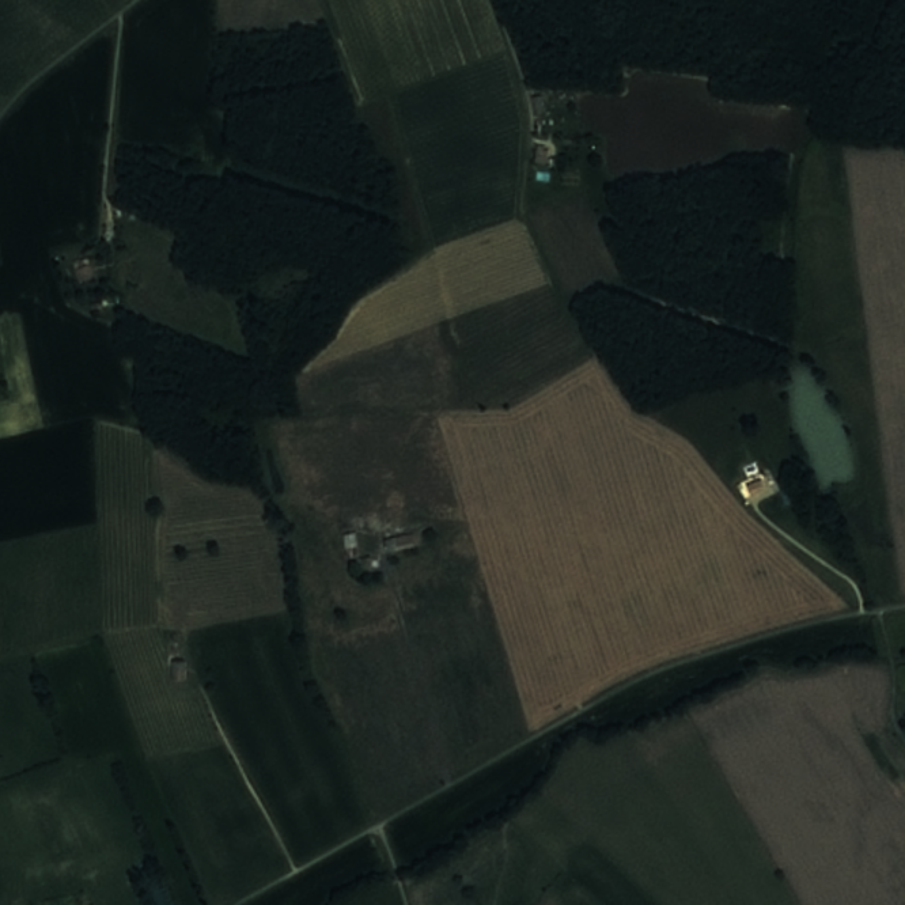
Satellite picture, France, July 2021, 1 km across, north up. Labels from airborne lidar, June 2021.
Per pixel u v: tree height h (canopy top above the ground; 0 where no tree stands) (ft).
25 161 0
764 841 0
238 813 0
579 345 0
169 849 0
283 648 0
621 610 0
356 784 0
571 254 0
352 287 61
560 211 0
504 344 0
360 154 71
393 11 0
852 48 63
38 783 0
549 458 0
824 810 0
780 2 66
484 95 0
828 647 0
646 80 0
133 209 51
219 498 0
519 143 0
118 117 0
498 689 0
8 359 0
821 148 0
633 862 0
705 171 60
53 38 0
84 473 0
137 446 0
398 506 0
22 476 0
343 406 0
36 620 0
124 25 0
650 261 82
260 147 57
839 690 0
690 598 0
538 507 0
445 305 0
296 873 0
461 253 0
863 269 0
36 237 0
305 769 0
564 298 0
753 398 0
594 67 44
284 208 53
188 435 66
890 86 59
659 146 0
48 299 0
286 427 0
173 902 54
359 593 0
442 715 0
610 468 0
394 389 0
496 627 0
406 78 0
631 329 51
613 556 0
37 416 0
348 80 38
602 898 0
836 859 0
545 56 55
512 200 0
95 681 0
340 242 68
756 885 0
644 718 36
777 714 0
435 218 0
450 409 0
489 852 0
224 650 0
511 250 0
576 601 0
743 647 0
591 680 0
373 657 0
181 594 0
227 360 66
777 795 0
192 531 0
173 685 0
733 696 0
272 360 69
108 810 0
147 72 0
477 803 0
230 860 0
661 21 63
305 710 0
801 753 0
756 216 46
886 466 0
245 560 0
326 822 0
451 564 0
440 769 0
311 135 65
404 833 0
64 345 0
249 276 38
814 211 0
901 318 0
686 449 0
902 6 64
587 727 43
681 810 0
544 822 0
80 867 0
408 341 0
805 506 28
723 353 64
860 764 0
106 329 0
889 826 0
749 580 0
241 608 0
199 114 0
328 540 0
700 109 0
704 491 0
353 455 0
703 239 59
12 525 0
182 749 0
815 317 0
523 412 0
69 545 0
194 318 0
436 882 0
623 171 0
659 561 0
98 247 23
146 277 0
